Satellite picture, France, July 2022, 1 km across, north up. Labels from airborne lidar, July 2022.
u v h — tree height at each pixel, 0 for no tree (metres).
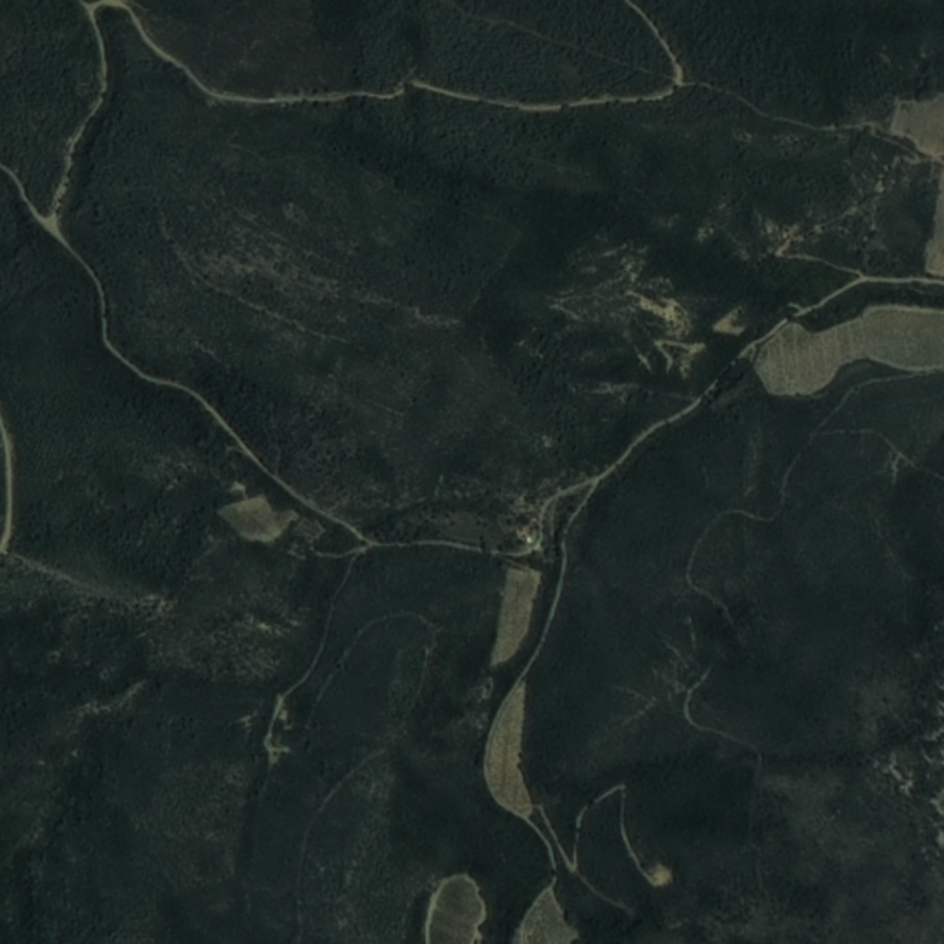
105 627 13
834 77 7
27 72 13
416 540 9
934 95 7
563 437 9
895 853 0
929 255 0
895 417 0
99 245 6
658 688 0
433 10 10
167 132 0
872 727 0
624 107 12
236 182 6
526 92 10
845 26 6
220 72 0
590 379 7
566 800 7
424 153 11
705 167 5
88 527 10
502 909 6
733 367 8
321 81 0
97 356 5
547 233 5
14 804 6
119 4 0
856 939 0
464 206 12
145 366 9
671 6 11
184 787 6
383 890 9
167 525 10
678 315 0
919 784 6
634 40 8
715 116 12
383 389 0
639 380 6
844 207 6
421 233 7
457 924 0
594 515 6
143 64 6
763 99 9
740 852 6
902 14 6
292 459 8
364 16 6
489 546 10
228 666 6
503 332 6
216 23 0
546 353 9
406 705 7
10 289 8
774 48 13
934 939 0
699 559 0
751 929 0
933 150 0
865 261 14
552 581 6
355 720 0
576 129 9
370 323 6
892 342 0
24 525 7
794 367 0
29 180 7
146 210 10
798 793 0
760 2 9
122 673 6
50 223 0
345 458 9
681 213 7
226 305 6
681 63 10
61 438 8
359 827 0
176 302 6
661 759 7
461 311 7
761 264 7
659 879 0
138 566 10
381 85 10
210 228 6
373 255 8
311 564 6
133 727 8
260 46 0
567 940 0
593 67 11
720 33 8
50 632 6
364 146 7
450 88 9
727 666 7
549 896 0
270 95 0
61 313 8
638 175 6
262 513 0
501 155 10
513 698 0
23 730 9
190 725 11
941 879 0
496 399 0
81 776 7
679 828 6
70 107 13
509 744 0
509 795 0
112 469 8
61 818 8
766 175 7
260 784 6
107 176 7
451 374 0
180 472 6
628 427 7
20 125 8
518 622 0
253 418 10
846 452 0
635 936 18
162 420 12
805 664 0
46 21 11
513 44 9
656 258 7
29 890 10
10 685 6
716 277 5
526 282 5
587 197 9
